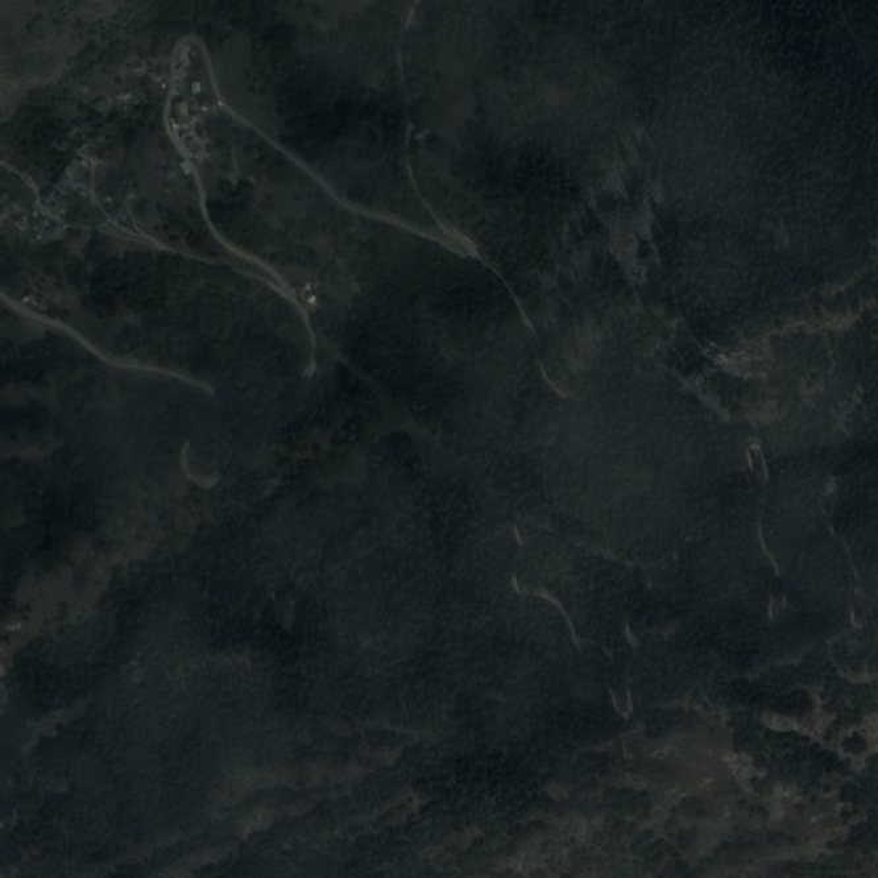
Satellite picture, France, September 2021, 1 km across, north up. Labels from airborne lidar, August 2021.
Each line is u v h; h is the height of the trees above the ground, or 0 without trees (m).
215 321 21
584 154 18
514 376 28
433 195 15
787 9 15
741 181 13
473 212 14
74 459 19
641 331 12
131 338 13
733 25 10
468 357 14
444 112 0
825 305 11
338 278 10
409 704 13
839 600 15
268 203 10
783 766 10
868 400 13
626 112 13
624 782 0
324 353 8
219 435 16
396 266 18
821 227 6
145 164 0
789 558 15
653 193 0
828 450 9
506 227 17
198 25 15
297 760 14
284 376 19
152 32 13
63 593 0
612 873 13
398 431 0
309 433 16
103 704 12
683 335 15
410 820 13
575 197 17
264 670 8
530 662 14
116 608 20
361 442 18
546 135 14
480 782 19
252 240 14
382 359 22
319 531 12
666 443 17
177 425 18
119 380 0
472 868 7
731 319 13
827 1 5
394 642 13
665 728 12
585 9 15
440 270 19
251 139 13
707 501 19
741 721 13
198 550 19
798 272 16
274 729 8
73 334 0
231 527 12
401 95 16
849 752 8
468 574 17
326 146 19
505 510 8
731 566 12
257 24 14
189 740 15
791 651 10
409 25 0
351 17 0
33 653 11
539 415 20
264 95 10
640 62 20
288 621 0
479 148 22
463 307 16
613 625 11
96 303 15
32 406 0
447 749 15
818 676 12
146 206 8
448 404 11
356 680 12
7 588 13
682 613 12
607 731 10
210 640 12
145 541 9
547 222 15
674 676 10
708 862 10
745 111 12
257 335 22
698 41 10
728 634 17
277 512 15
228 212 14
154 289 25
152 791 8
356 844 7
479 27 23
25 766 11
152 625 18
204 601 11
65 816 16
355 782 0
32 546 18
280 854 8
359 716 10
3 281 18
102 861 11
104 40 13
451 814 8
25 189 0
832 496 0
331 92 17
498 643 16
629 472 17
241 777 0
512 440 29
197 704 16
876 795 21
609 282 20
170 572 17
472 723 13
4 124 7
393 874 10
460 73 0
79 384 0
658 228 0
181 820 10
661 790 0
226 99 0
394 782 13
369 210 14
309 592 0
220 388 0
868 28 11
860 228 16
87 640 16
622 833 12
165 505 13
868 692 17
